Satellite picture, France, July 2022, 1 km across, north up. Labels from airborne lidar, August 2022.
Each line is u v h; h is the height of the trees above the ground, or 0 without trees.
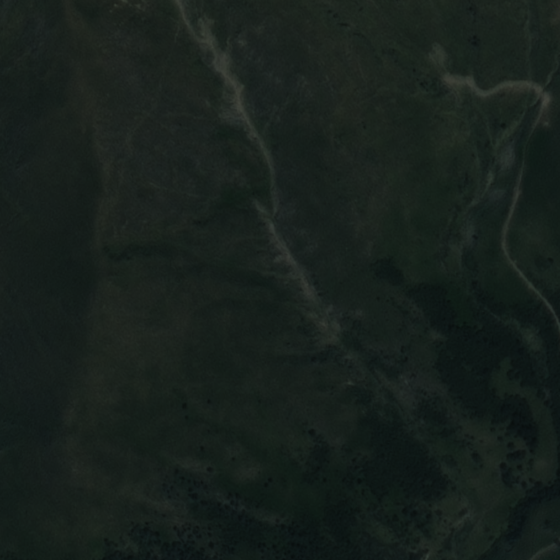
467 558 0
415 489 6
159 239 0
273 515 0
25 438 0
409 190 0
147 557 9
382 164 0
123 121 0
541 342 0
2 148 0
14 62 0
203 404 0
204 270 0
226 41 0
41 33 0
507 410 16
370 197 0
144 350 0
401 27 0
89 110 0
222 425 0
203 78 0
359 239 0
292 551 7
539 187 0
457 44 0
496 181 0
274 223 0
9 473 0
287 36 0
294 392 0
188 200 0
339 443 0
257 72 0
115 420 0
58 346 0
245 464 0
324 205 0
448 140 0
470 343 12
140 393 0
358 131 0
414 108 0
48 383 0
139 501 0
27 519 0
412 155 0
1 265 0
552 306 6
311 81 0
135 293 0
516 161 0
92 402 0
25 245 0
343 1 0
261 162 0
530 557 0
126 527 0
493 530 0
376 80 0
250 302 0
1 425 0
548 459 0
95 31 0
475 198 0
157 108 0
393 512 0
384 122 0
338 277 0
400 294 0
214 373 0
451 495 0
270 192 0
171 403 0
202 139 0
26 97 0
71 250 0
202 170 0
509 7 0
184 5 0
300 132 0
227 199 0
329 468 0
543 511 0
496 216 0
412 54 0
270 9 0
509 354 10
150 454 0
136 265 0
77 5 0
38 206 0
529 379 7
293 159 0
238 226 0
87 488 0
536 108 0
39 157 0
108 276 0
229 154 0
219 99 0
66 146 0
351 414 0
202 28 0
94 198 0
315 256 0
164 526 0
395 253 0
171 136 0
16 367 0
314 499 0
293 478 0
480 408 9
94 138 0
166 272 0
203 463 0
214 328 0
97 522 0
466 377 7
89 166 0
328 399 0
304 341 0
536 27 0
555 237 0
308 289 0
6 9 0
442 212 0
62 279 0
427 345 0
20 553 0
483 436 0
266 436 0
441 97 0
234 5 0
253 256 0
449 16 0
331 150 0
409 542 0
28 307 0
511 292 0
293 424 0
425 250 0
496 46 0
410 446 8
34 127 0
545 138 0
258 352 0
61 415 0
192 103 0
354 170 0
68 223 0
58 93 0
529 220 0
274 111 0
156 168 0
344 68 0
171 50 0
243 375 0
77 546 0
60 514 0
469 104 0
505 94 0
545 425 0
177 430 0
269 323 0
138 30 0
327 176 0
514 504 0
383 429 6
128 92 0
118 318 0
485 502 0
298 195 0
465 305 0
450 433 7
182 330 0
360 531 0
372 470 7
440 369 8
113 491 0
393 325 0
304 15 0
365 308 0
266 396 0
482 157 0
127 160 0
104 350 0
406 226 0
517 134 0
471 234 0
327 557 12
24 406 0
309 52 0
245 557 0
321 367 0
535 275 0
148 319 0
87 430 0
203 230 0
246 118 0
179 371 0
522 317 6
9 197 0
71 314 0
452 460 0
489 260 0
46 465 0
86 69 0
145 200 0
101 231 0
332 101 0
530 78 0
